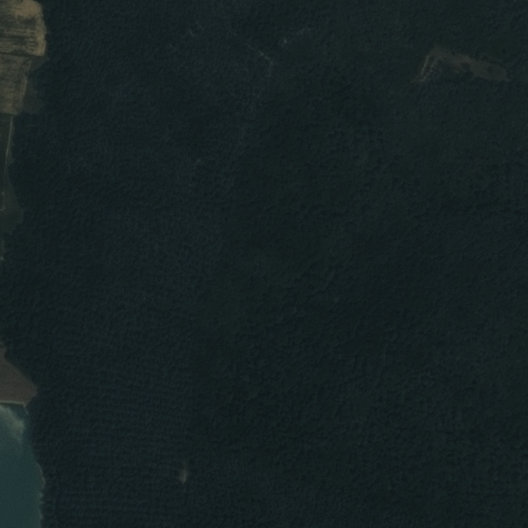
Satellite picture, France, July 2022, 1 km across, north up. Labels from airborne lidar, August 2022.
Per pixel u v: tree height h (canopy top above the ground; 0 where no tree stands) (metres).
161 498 23
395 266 24
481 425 21
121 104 28
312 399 20
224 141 18
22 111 0
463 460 23
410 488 20
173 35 20
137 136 23
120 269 26
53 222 25
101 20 28
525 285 25
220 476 27
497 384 23
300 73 27
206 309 18
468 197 8
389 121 24
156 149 27
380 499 24
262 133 20
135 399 30
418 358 22
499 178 21
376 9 12
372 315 23
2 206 0
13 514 0
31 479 0
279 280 23
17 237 10
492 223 24
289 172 26
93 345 29
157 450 16
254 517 21
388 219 24
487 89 19
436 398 19
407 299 27
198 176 20
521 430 16
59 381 26
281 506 20
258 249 20
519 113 27
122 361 17
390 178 19
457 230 23
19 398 0
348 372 22
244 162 26
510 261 20
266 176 21
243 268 23
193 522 10
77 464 25
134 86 26
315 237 28
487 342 20
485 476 19
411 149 23
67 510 23
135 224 24
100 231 26
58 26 20
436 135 21
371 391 15
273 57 24
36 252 14
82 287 24
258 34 11
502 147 24
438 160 23
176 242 26
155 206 17
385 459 21
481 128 25
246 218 23
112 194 15
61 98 28
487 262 26
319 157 15
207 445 21
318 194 29
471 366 18
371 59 16
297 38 17
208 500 20
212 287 17
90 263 23
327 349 23
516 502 22
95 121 31
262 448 17
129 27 26
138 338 22
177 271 22
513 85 19
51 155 27
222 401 22
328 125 22
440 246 28
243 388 19
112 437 27
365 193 26
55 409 26
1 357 0
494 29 13
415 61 16
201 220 26
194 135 20
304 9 13
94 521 18
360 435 19
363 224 27
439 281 23
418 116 18
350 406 10
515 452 23
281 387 21
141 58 22
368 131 10
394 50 16
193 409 23
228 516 25
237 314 25
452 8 16
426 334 19
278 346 20
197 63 23
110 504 27
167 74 24
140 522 14
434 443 19
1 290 23
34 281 24
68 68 23
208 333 21
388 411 15
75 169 27
